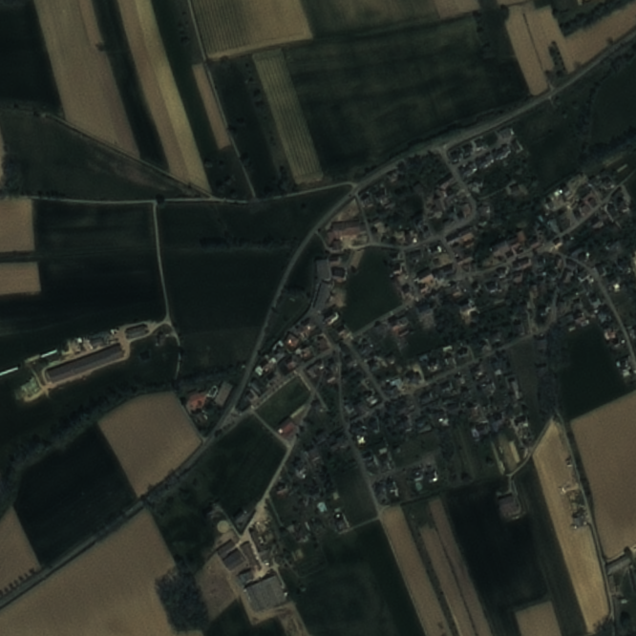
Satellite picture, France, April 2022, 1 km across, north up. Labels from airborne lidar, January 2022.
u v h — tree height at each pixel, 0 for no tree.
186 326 0
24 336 0
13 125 0
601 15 14
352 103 0
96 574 0
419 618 0
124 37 0
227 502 0
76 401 0
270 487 0
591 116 24
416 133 0
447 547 0
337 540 0
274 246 16
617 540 0
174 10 0
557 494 0
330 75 0
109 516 0
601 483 0
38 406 0
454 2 0
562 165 0
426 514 0
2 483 0
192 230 0
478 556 0
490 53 13
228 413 0
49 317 0
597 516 0
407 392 0
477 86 0
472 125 6
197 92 0
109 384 0
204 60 0
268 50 0
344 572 0
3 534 0
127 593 0
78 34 0
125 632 0
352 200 0
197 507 0
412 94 0
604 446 0
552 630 0
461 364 0
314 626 0
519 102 0
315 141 0
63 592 0
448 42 0
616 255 0
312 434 0
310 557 0
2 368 0
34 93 0
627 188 0
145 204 0
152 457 0
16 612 0
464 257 0
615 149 18
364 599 0
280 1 0
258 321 0
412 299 0
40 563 0
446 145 0
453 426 9
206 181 0
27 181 0
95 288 0
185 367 0
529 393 0
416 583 0
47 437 0
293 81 0
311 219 0
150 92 0
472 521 0
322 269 0
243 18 0
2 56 0
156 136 0
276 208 0
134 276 0
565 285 13
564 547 0
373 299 0
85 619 0
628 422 0
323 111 0
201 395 0
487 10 0
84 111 0
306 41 0
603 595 0
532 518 0
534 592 0
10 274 0
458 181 0
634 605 0
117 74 0
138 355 0
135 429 0
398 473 0
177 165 0
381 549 0
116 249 0
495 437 14
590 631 0
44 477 0
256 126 0
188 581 26
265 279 0
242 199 0
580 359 0
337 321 0
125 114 0
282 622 0
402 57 0
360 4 0
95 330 0
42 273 0
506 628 0
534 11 0
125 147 0
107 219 0
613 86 0
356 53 0
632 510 0
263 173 0
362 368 0
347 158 0
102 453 0
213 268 0
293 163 0
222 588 0
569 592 0
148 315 0
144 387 9
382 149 0
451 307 15
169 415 0
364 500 0
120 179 0
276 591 0
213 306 0
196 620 21
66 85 0
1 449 0
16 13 0
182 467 0
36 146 0
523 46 0
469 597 0
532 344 0
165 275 0
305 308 0
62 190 0
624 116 0
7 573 0
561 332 14
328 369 6
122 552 0
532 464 0
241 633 0
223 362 0
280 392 0
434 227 0
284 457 0
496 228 0
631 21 0
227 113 0
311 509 0
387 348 0
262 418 0
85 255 0
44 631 0
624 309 0
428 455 0
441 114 0
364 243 0
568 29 10
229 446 0
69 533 0
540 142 0
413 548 0
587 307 0
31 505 0
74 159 0
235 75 0
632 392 0
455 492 0
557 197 0
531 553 0
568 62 0
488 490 0
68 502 0
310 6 0
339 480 0
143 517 0
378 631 0
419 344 0
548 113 0
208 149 0
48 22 0
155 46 0
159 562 0
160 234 0
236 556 0
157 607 0
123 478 0
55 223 0
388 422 0
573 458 0
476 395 0
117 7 0
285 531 9
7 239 0
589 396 0
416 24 0
